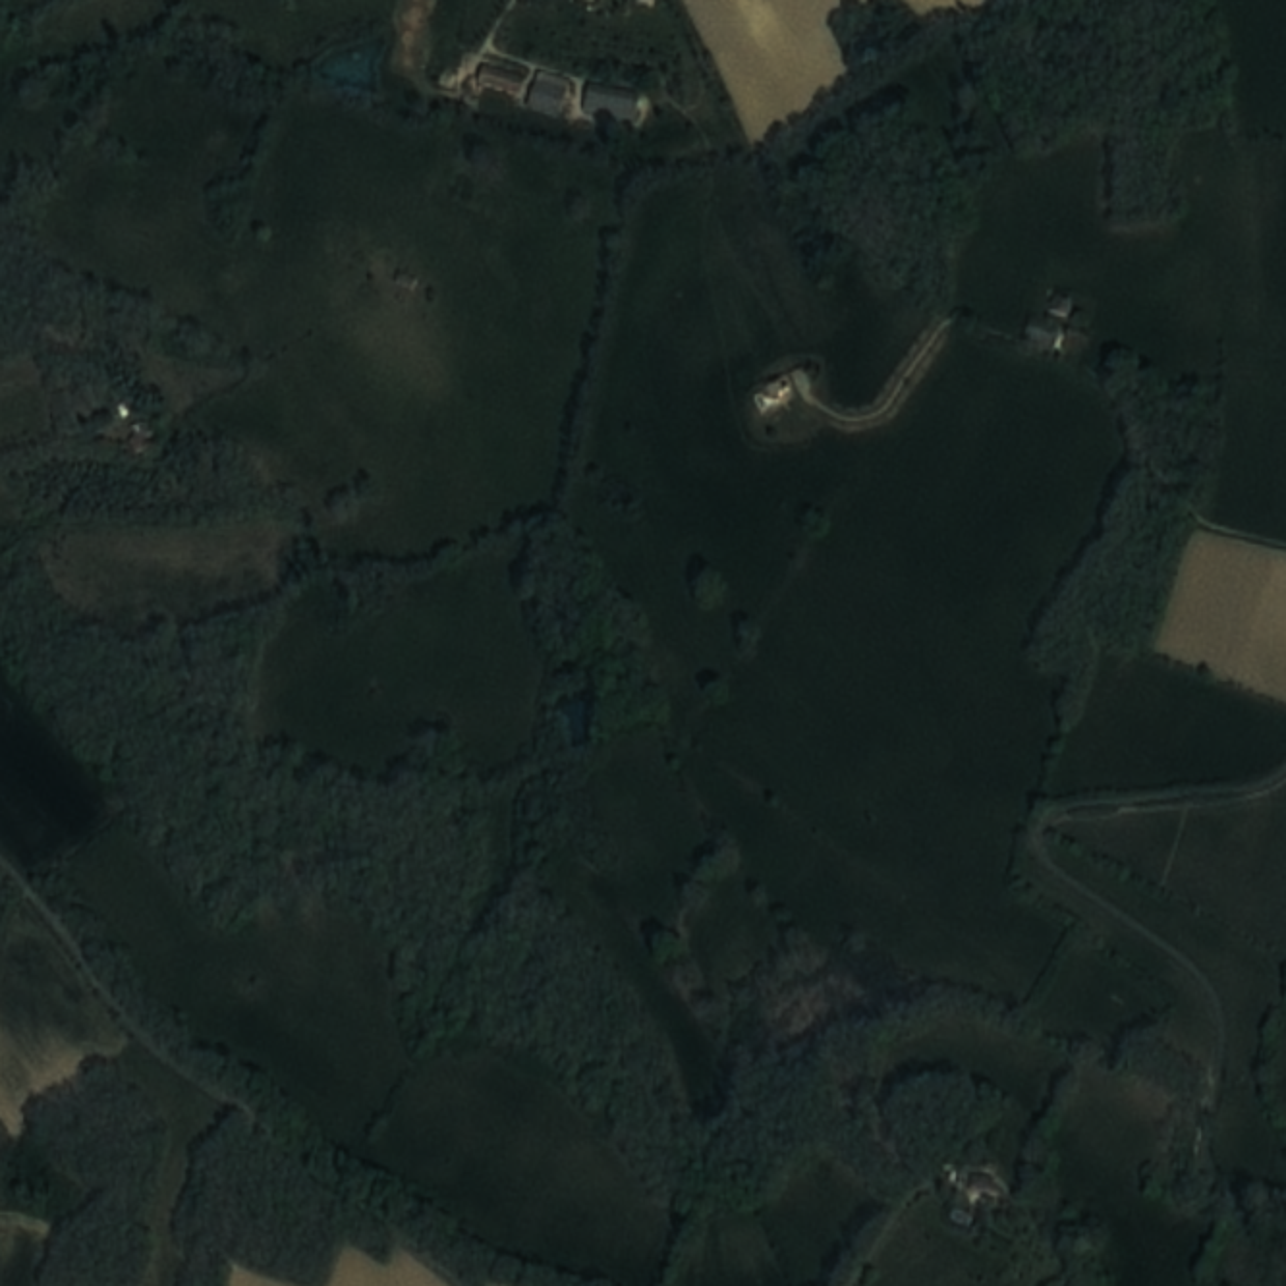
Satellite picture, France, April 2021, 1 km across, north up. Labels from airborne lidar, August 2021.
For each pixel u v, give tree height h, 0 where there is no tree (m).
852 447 0
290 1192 19
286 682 0
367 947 0
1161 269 0
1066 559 0
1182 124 23
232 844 21
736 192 0
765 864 0
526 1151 0
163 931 0
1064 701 17
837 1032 15
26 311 10
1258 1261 0
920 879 0
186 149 0
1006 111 23
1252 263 0
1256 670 0
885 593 0
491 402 0
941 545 0
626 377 0
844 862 0
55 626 9
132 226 0
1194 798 6
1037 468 0
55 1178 8
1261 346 0
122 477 9
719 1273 0
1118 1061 14
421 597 0
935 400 0
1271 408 0
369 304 0
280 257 0
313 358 0
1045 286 0
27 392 0
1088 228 0
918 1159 16
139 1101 19
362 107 16
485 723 0
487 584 0
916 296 12
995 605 0
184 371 0
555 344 0
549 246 0
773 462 0
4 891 9
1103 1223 12
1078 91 22
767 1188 20
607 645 21
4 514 0
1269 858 0
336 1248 17
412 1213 15
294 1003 0
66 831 0
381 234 0
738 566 0
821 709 0
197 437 8
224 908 20
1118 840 0
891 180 21
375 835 15
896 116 25
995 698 0
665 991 0
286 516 22
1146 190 22
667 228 0
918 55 17
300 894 15
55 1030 0
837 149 25
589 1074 19
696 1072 0
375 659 0
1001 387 0
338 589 7
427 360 0
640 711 17
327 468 0
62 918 9
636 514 10
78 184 0
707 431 0
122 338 6
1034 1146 17
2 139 0
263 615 20
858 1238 17
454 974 19
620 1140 13
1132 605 20
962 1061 0
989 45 27
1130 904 0
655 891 0
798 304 0
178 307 0
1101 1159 0
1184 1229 0
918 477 0
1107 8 19
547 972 20
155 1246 11
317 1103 0
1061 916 8
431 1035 14
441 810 22
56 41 0
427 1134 0
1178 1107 9
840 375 0
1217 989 0
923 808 0
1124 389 23
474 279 0
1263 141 6
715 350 0
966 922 0
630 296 0
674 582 0
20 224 21
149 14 0
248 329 0
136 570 0
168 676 13
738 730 0
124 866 0
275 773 19
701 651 0
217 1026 0
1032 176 0
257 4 0
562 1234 0
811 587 0
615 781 0
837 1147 19
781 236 0
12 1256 0
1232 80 21
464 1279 14
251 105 18
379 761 0
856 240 21
